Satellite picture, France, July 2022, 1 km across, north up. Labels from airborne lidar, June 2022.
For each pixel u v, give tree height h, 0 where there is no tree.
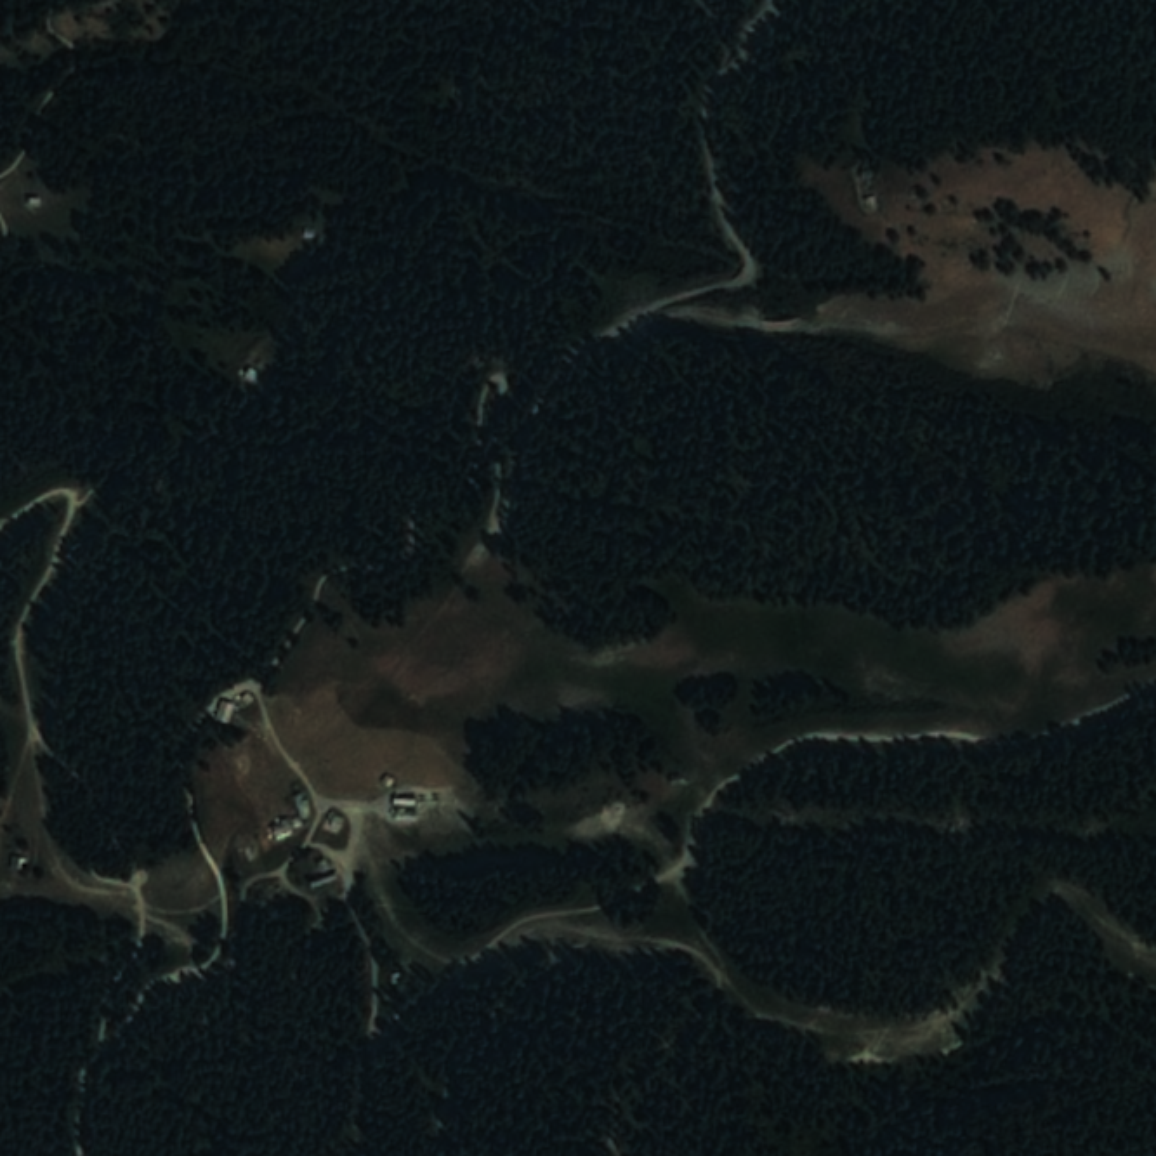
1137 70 17
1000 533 21
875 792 27
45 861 0
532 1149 23
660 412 22
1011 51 24
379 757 0
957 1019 0
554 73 23
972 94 23
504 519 0
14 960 19
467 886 26
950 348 0
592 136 20
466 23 21
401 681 0
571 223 14
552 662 0
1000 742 0
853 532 25
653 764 12
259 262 0
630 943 0
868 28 22
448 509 28
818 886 25
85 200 0
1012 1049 9
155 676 27
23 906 20
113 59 9
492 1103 28
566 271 27
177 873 0
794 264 15
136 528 32
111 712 26
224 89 14
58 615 23
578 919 0
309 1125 21
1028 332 0
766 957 18
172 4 8
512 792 23
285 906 21
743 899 28
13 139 14
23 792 0
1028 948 25
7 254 15
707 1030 19
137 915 0
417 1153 28
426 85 18
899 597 27
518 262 11
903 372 7
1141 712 15
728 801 15
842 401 29
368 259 34
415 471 30
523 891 27
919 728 0
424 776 0
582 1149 9
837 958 14
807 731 0
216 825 0
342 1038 24
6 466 29
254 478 28
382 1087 24
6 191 0
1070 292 0
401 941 0
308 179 22
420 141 27
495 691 0
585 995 10
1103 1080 22
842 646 0
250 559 18
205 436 26
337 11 28
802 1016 0
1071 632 0
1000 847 27
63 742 23
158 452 25
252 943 23
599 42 24
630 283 0
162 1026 27
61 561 0
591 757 30
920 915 27
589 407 19
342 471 29
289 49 25
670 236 17
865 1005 29
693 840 0
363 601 9
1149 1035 23
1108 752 23
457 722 0
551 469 27
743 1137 25
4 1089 26
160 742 20
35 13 15
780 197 26
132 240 10
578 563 30
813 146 27
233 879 16
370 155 20
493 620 0
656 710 0
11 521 0
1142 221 0
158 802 16
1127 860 25
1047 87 21
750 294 9
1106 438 10
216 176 22
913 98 23
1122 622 0
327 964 26
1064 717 0
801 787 15
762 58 27
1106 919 0
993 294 0
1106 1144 18
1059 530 31
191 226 18
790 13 24
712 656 0
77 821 23
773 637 0
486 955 0
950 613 25
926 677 0
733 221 22
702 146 22
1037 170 0
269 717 0
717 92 24
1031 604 0
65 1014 21
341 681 0
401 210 20
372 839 0
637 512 14
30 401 30
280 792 0
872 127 10
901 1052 0
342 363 27
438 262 31
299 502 34
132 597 28
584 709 0
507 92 23
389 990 0
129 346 9
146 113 21
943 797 29
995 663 0
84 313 25
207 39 22
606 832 0
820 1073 25
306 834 0
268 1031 31
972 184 0
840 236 19
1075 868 24
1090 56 22
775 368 30
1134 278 0
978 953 22
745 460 25
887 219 0
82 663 25
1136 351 0
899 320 0
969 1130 10
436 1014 21
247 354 0
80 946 26
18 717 0
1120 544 23
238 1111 29
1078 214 0
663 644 0
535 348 25
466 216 24
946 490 11
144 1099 28
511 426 22
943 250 0
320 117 11
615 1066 21
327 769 0
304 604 13
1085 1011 22
